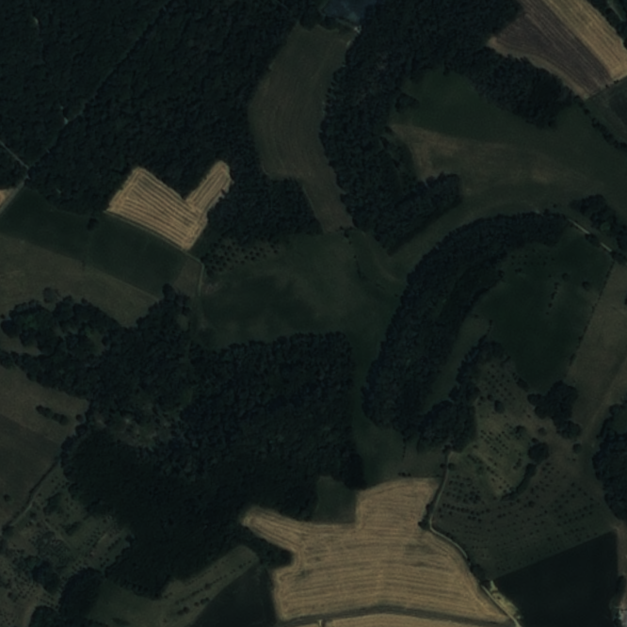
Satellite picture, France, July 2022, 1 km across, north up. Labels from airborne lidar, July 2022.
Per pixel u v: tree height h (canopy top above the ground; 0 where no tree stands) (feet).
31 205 0
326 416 81
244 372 84
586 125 0
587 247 0
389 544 0
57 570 20
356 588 0
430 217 31
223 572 0
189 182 85
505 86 96
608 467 66
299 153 0
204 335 0
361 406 0
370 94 82
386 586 0
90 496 33
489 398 25
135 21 67
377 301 0
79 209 71
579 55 0
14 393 0
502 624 0
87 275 0
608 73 0
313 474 44
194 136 68
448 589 0
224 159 59
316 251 0
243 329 0
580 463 0
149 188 0
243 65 51
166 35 95
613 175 0
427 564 0
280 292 0
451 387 0
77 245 0
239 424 99
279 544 0
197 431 33
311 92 0
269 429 79
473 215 0
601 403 0
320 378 79
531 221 67
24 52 75
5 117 69
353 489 44
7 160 77
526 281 0
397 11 36
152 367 71
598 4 52
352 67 52
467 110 0
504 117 0
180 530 31
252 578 0
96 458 25
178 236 0
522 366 0
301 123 0
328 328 0
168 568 28
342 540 0
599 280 0
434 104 0
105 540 0
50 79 73
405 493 0
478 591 0
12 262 0
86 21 96
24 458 0
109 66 64
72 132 73
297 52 0
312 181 0
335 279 0
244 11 52
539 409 42
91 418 51
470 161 0
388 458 0
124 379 98
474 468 0
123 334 77
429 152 0
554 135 0
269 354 61
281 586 0
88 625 44
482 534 0
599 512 0
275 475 28
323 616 0
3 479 0
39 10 68
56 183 80
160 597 46
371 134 72
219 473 31
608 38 0
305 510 70
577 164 0
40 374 59
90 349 59
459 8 47
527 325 0
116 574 28
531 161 0
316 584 0
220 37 98
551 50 0
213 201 0
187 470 82
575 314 0
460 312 18
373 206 89
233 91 78
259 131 0
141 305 0
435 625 0
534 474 50
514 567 0
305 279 0
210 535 45
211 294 0
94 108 68
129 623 0
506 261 49
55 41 65
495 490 0
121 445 36
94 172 82
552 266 0
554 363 0
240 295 0
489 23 69
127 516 28
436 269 72
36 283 0
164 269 0
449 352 50
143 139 82
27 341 68
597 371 0
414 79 70
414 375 73
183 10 76
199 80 83
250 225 42
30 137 76
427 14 67
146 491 44
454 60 73
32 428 0
